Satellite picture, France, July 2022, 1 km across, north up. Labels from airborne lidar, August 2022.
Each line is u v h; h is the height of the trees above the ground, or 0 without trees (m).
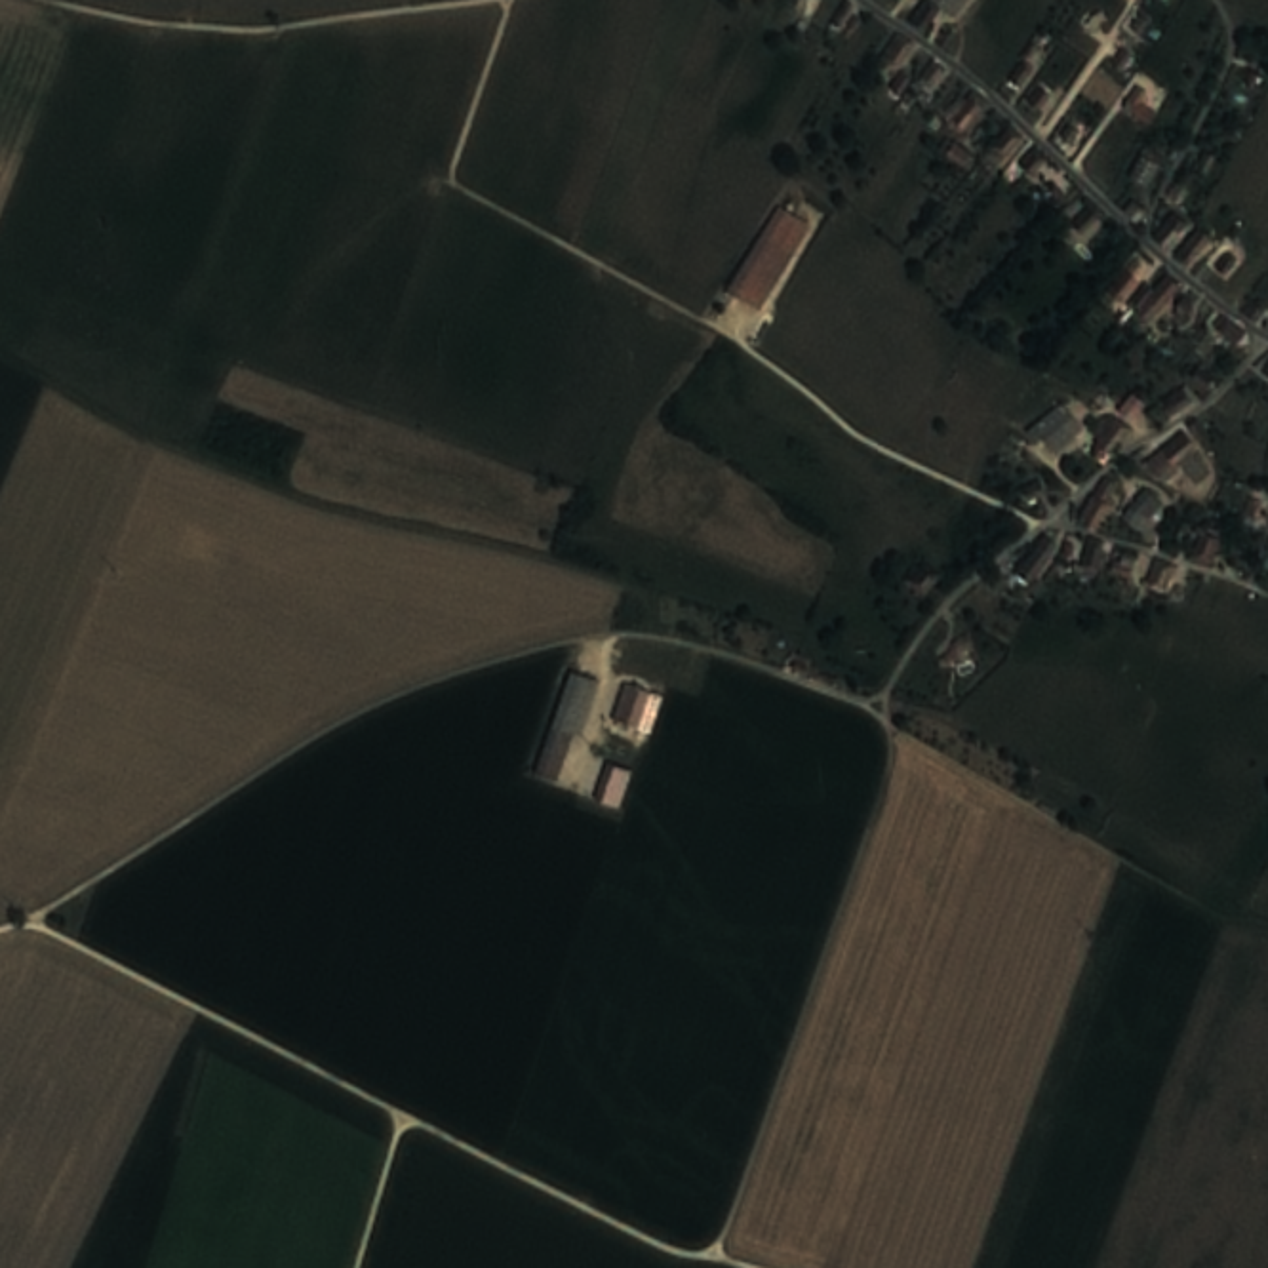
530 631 0
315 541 0
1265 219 0
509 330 0
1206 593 0
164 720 0
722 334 0
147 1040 0
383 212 0
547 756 0
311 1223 0
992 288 9
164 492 0
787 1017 0
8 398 0
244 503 0
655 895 0
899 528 0
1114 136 0
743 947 0
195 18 0
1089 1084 0
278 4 0
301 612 0
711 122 0
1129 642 0
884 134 0
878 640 0
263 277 0
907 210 0
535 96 0
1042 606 12
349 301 0
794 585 0
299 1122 0
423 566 0
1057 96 0
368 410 0
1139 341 7
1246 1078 0
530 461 0
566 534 7
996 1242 0
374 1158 0
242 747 0
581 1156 0
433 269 0
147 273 0
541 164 0
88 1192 0
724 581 0
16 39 0
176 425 0
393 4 0
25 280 0
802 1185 0
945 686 0
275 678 0
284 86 0
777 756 0
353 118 0
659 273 0
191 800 0
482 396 0
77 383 0
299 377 0
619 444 0
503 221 0
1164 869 0
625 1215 0
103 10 0
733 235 0
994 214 0
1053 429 0
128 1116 0
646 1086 0
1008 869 0
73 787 0
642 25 0
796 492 0
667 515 0
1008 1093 0
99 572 0
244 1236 0
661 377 0
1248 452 0
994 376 0
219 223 0
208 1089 0
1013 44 0
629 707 0
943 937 0
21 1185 0
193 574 0
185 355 0
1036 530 0
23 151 0
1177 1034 0
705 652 0
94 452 0
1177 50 0
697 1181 0
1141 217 7
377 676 0
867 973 0
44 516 0
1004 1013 0
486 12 0
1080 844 0
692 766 0
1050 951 0
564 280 0
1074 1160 0
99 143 0
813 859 0
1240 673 0
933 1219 0
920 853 0
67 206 0
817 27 0
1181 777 0
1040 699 0
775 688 0
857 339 0
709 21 0
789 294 0
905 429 0
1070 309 13
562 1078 0
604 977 0
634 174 0
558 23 0
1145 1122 0
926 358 0
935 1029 0
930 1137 0
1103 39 0
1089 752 0
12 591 0
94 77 0
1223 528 12
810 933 0
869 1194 0
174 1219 0
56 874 0
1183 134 13
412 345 0
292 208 0
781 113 0
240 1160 0
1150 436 0
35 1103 0
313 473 0
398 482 0
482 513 0
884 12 0
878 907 0
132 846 0
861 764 0
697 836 0
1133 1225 0
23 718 0
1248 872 0
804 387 0
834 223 0
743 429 0
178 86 0
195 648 0
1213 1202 0
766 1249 0
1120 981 0
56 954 0
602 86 0
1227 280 0
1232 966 0
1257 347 0
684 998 0
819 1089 0
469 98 0
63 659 0
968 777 0
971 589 0
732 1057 0
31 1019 0
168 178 0
